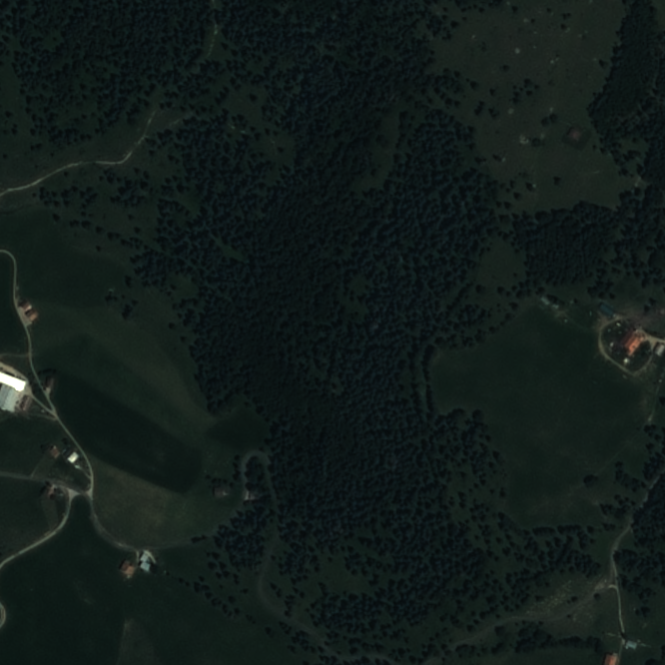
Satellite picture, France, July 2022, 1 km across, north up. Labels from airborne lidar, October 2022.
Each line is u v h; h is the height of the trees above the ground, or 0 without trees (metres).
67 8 12
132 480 0
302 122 31
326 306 17
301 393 15
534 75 0
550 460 0
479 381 0
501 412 0
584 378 0
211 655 0
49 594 0
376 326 24
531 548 12
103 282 0
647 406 0
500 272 0
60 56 17
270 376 17
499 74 0
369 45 11
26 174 0
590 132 0
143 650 0
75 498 0
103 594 0
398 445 21
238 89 17
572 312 0
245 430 0
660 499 12
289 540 15
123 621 0
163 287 18
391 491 26
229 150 23
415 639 0
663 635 0
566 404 0
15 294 0
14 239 0
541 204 0
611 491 0
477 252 26
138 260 15
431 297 27
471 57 0
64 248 0
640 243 13
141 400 0
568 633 0
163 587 0
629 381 0
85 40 16
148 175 13
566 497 0
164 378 0
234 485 8
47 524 0
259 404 18
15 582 0
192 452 0
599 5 0
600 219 22
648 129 22
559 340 0
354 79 23
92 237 0
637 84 22
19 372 0
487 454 10
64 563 0
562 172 0
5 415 0
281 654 0
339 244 10
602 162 0
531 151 0
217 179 21
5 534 0
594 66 0
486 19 0
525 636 14
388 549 16
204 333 22
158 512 0
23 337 0
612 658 0
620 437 0
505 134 0
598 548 0
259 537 13
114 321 0
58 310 0
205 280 18
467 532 16
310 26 14
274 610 0
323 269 14
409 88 14
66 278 0
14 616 0
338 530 23
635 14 14
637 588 16
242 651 0
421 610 9
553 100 0
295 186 21
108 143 0
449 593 24
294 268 17
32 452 0
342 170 16
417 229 30
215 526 0
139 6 24
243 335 18
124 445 0
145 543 0
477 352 0
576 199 0
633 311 0
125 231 0
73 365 0
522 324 0
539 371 0
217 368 20
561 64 0
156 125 0
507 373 0
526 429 0
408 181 10
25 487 0
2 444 0
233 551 25
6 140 0
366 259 27
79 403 0
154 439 0
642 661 0
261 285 19
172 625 0
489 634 0
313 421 20
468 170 0
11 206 0
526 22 0
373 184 0
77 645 0
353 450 24
